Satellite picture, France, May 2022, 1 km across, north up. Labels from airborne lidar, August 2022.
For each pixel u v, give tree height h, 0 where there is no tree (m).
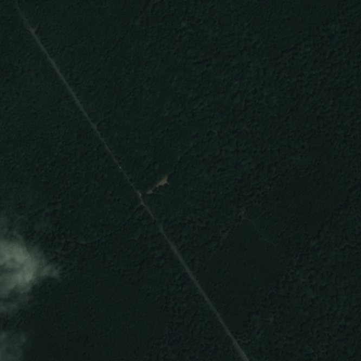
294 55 26
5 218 24
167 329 14
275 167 22
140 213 21
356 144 25
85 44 13
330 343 23
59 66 12
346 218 23
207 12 22
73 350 13
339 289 24
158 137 20
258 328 24
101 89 22
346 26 26
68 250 27
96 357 16
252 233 7
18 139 18
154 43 15
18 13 15
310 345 24
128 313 8
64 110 17
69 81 15
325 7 7
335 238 25
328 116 22
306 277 30
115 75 20
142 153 20
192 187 18
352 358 17
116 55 19
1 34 17
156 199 20
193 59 22
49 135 22
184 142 18
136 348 15
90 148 20
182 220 26
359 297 22
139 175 18
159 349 13
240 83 20
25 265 21
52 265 24
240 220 13
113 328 8
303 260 25
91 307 14
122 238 18
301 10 9
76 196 17
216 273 10
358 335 20
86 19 10
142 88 15
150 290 20
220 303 9
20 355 13
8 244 27
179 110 20
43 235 19
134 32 14
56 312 13
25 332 11
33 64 17
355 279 18
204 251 22
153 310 12
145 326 14
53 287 9
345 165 7
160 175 20
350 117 19
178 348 26
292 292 25
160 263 24
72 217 18
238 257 6
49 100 19
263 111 23
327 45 17
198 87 25
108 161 17
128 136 25
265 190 9
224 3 17
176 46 24
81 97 13
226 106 22
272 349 20
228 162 24
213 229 18
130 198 19
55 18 9
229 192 21
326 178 6
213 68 23
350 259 26
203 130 20
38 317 8
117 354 14
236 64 19
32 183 17
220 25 22
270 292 9
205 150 23
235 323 11
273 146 24
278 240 6
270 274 7
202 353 22
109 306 11
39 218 25
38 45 16
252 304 8
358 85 20
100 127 14
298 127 19
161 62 21
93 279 13
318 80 17
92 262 13
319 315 23
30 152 22
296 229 8
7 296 22
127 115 20
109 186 23
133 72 21
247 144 26
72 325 7
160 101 16
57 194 19
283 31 7
